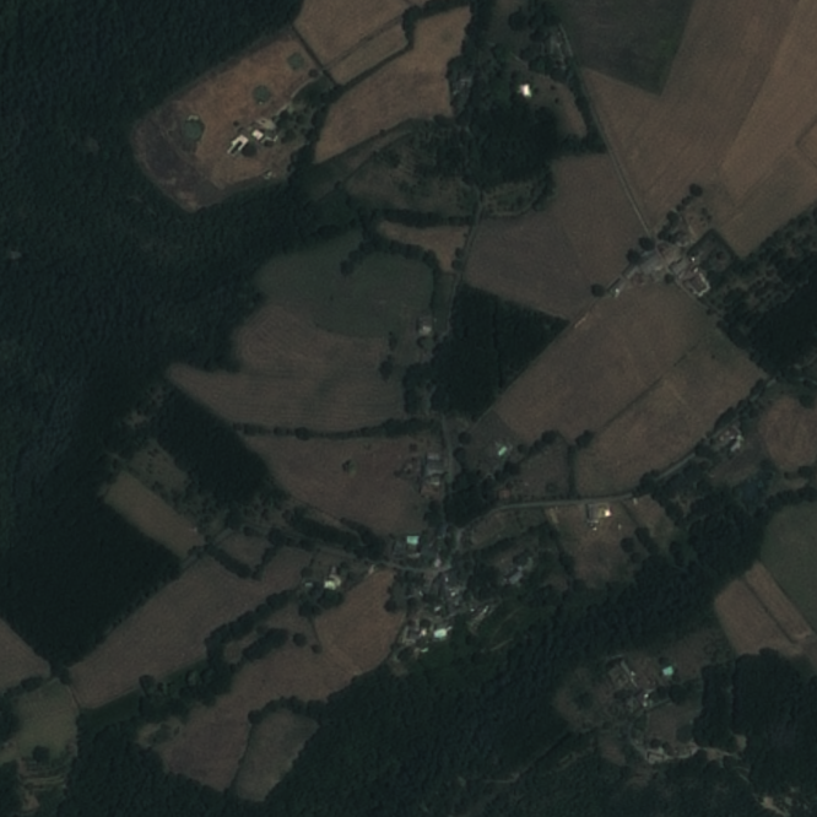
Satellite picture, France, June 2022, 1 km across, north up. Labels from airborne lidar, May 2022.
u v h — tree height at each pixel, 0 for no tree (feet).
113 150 35
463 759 31
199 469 52
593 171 0
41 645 62
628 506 0
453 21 0
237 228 46
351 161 0
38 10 39
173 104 0
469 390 58
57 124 55
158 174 0
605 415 0
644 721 19
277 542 58
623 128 0
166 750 0
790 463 0
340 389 0
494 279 0
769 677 57
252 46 24
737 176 0
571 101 0
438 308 26
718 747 64
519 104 44
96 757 56
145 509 0
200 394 0
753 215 0
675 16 0
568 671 29
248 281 20
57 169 51
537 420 0
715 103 0
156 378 37
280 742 0
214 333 52
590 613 46
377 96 0
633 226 0
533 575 24
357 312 0
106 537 68
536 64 42
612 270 0
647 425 0
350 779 44
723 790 23
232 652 0
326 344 0
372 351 0
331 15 0
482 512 53
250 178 0
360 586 0
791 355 43
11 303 66
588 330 0
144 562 59
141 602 42
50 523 54
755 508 19
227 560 55
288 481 0
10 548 37
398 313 0
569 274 0
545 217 0
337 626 0
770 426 0
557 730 49
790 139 0
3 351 48
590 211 0
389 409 0
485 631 28
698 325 0
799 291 38
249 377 0
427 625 31
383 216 39
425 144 19
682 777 56
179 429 45
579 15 0
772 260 28
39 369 42
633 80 0
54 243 58
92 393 65
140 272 42
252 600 0
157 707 58
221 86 0
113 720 0
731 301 26
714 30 0
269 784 0
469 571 33
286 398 0
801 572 0
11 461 59
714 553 90
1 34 53
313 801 43
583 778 39
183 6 37
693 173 0
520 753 50
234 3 53
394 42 0
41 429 59
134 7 52
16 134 35
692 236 0
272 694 0
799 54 0
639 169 0
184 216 29
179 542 0
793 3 0
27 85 62
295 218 45
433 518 46
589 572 0
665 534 0
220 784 0
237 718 0
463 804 37
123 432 26
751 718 78
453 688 27
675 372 0
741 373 0
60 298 88
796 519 0
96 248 41
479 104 39
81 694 0
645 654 0
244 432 32
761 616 0
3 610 54
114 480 33
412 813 61
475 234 0
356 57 0
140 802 45
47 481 59
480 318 48
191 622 0
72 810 64
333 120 0
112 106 57
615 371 0
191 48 33
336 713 67
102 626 58
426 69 0
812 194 0
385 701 51
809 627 0
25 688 45
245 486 52
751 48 0
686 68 0
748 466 0
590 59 0
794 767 49
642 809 29
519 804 37
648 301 0
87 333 77
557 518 0
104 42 60
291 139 30
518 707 73
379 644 0
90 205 30
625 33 0
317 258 0
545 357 0
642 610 39
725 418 43
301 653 0
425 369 56
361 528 40
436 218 48
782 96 0
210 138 0
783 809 22
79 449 65
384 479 0
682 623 49
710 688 53
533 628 51
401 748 58
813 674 0
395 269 0
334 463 0
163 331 45
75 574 65
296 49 0
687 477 49
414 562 36
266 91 0
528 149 22
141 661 0
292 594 36
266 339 0
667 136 0
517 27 49
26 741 0
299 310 0
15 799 65
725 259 28
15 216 31
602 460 0
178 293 36
